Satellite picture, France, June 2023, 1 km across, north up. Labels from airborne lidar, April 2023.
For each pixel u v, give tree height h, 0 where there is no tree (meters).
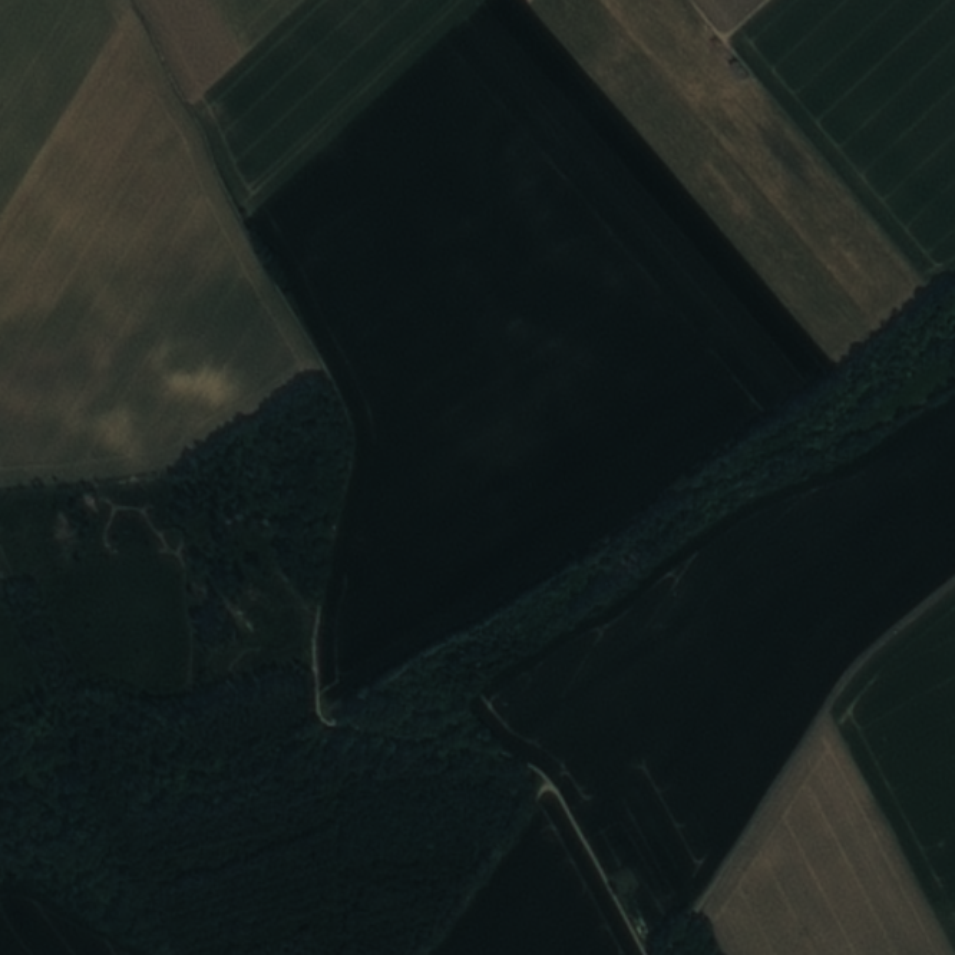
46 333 0
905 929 0
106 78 0
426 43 0
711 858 0
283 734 21
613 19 0
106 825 20
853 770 0
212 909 22
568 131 0
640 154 0
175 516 19
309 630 0
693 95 0
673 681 0
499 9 0
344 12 0
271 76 0
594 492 0
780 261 0
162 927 20
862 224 0
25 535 0
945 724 0
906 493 0
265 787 20
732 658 0
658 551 19
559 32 0
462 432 0
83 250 0
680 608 0
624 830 0
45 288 0
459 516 0
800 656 0
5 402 0
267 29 0
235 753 18
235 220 0
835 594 0
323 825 23
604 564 12
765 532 0
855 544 0
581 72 0
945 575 0
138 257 0
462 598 0
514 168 0
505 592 0
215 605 26
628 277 0
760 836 0
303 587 26
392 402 0
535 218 0
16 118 0
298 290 0
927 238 0
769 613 0
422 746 16
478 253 0
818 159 0
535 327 0
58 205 0
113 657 0
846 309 0
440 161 0
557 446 0
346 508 0
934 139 0
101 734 24
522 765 11
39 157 0
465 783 18
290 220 0
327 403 21
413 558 0
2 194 0
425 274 0
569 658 0
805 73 0
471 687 13
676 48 0
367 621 0
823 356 0
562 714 0
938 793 0
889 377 6
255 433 10
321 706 0
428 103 0
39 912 0
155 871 21
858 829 0
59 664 19
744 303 0
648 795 0
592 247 0
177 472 13
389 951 21
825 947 0
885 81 0
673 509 15
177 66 0
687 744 0
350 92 0
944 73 0
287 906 21
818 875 0
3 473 0
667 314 0
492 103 0
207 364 0
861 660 0
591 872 0
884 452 0
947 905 0
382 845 17
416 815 19
